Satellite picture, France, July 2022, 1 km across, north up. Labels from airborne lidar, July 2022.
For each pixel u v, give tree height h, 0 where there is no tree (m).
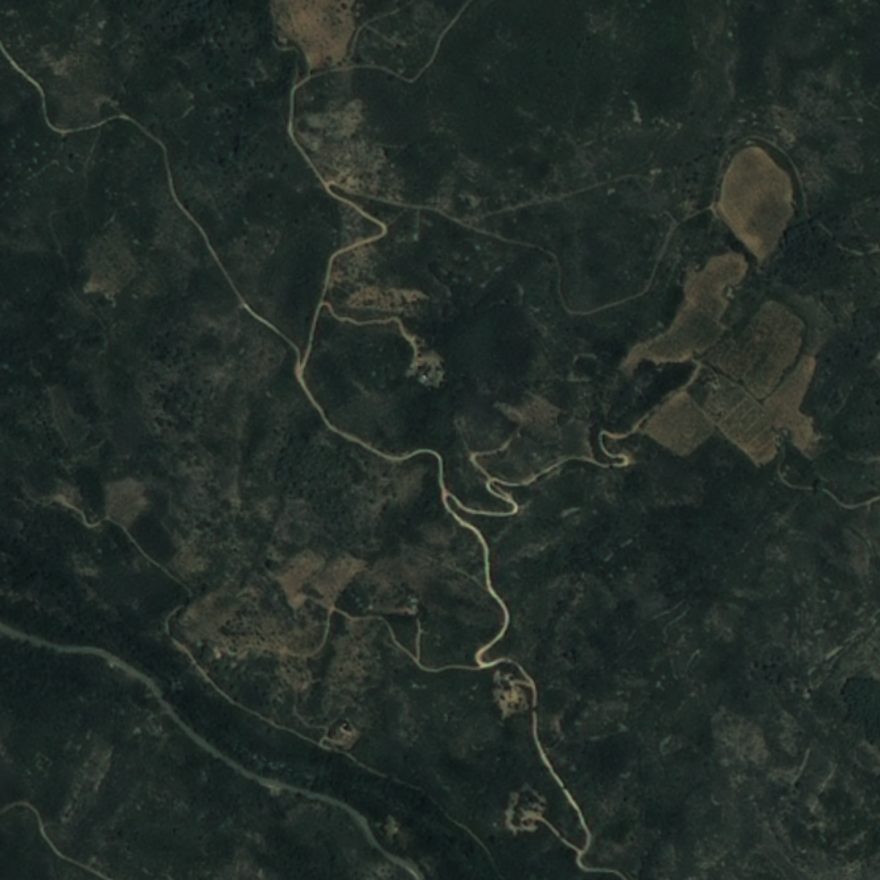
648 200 0
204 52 8
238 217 0
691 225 7
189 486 0
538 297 0
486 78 0
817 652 0
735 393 0
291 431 7
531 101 0
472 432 0
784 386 0
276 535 0
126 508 0
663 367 6
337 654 0
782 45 0
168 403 10
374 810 6
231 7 7
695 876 0
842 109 0
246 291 0
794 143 0
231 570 0
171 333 6
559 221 0
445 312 6
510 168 0
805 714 0
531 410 0
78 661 6
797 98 0
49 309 6
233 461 0
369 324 0
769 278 10
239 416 0
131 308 0
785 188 0
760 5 0
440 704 0
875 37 0
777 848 0
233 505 0
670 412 0
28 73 0
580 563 6
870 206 0
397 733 0
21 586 6
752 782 0
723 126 0
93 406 6
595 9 0
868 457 0
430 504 12
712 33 0
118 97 7
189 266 0
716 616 0
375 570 0
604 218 0
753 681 0
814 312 0
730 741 0
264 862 7
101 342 9
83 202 0
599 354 7
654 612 0
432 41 0
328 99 0
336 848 6
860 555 0
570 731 6
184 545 0
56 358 7
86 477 7
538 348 0
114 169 0
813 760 0
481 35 0
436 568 0
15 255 0
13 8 0
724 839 0
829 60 0
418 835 6
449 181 0
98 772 0
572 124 0
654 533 7
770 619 0
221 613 0
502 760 7
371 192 0
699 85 0
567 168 0
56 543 10
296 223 9
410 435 6
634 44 0
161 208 0
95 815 0
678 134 0
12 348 5
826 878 0
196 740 0
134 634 6
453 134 0
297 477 8
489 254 0
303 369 0
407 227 8
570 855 10
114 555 7
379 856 8
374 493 0
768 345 0
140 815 0
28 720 6
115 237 0
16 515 8
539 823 8
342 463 8
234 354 0
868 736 10
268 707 6
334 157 0
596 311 0
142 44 6
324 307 0
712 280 0
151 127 8
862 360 8
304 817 0
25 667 7
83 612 8
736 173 0
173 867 0
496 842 17
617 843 7
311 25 0
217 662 8
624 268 0
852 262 9
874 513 0
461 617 0
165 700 15
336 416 0
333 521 6
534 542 0
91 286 0
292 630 0
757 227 0
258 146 7
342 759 11
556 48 0
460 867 7
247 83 7
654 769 0
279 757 8
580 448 0
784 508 5
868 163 0
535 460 0
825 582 0
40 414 9
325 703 0
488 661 0
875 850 8
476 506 0
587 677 6
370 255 0
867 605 0
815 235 8
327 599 0
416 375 8
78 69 0
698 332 0
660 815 6
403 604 7
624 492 6
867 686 11
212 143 0
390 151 8
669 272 8
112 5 8
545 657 6
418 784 9
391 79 11
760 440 0
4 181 7
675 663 0
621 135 0
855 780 0
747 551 0
